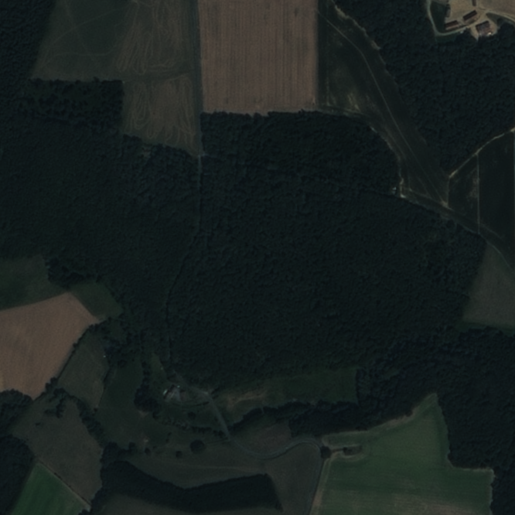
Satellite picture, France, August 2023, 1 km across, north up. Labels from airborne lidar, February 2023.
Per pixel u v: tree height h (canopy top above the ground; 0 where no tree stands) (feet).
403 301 83
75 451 0
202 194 49
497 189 0
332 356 59
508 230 0
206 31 0
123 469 62
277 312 85
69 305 0
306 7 0
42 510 0
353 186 57
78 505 0
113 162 83
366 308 82
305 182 62
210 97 0
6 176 80
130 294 76
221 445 0
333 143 32
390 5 78
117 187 82
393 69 73
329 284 68
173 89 0
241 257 84
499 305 0
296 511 0
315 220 76
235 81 0
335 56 0
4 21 82
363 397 65
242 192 84
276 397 0
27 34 82
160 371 0
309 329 87
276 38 0
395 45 73
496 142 0
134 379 0
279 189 70
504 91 66
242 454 0
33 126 80
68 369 0
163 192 70
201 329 74
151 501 41
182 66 0
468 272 63
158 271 80
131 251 76
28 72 78
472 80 63
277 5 0
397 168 59
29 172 80
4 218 70
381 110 0
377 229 79
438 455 0
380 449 0
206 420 0
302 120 20
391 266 80
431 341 45
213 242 77
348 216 81
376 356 35
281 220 93
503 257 0
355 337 63
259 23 0
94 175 77
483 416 77
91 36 0
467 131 64
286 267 93
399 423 0
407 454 0
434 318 71
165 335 72
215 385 37
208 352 77
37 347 0
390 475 0
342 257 79
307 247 84
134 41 0
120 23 0
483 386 77
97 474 0
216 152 57
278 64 0
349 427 48
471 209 0
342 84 0
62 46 0
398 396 85
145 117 0
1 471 46
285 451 0
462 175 0
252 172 81
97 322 0
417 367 90
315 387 0
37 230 87
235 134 67
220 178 75
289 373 43
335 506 0
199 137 0
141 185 74
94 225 76
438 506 0
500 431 77
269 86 0
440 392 64
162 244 75
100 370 0
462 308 80
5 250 87
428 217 62
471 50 63
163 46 0
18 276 0
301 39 0
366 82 0
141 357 27
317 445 0
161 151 70
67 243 78
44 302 0
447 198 0
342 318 78
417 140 0
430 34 65
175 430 0
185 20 0
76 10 0
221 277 82
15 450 48
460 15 0
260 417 59
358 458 0
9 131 71
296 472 0
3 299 0
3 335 0
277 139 42
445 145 63
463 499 0
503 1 0
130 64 0
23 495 0
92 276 43
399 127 0
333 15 0
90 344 0
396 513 0
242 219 87
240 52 0
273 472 0
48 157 82
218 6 0
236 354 80
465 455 65
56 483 0
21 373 0
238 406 0
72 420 0
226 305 81
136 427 0
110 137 78
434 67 83
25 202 80
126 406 0
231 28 0
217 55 0
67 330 0
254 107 0
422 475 0
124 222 76
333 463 0
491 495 0
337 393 0
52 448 0
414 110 53
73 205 64
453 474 0
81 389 0
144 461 0
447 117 80
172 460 0
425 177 0
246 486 26
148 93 0
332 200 63
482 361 85
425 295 81
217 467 0
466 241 61
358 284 74
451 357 74
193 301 78
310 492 0
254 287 90
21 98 70
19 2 82
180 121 0
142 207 63
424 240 80
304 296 84
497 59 66
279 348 85
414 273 77
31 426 0
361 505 0
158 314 71
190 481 0
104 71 0
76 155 73
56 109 53
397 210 64
